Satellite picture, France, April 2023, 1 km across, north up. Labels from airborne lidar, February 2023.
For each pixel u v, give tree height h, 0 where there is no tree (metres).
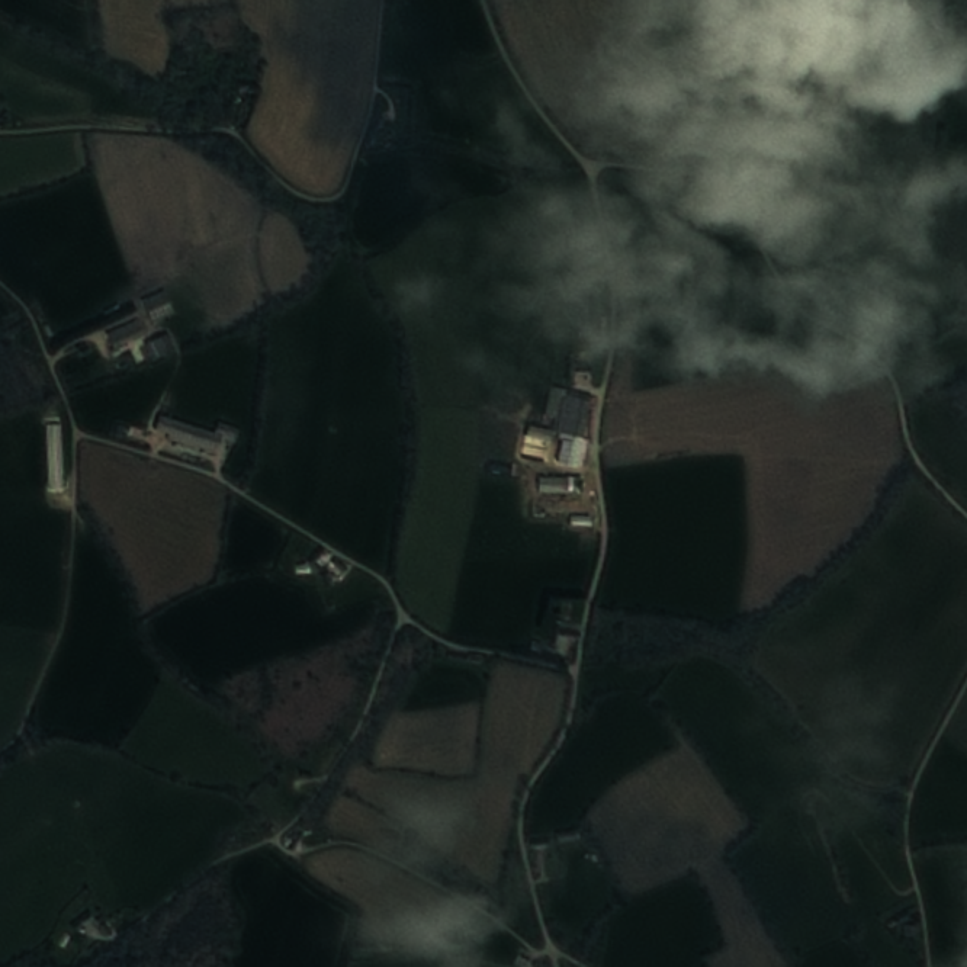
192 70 6
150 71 0
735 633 11
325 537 0
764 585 0
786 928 0
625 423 0
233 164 18
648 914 0
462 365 0
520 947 0
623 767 0
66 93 0
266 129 0
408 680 14
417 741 0
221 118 15
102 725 0
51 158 0
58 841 0
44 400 13
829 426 0
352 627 0
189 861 0
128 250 0
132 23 0
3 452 0
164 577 0
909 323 0
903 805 11
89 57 7
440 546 0
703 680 0
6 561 0
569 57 0
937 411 0
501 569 0
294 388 0
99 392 0
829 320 12
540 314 0
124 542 0
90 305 0
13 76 0
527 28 0
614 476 0
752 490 0
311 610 0
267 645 0
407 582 0
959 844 8
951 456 0
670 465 0
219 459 0
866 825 0
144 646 9
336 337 0
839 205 0
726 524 0
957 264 0
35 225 0
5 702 0
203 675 0
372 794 0
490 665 0
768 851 0
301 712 0
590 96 0
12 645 0
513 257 0
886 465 0
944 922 0
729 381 0
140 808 0
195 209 0
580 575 0
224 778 0
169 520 0
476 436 0
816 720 0
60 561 0
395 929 0
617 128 0
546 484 0
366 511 0
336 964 0
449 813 0
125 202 0
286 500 0
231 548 0
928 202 7
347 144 0
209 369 0
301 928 0
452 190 0
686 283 0
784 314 0
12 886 0
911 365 0
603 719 0
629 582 0
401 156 0
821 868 0
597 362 0
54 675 0
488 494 0
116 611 0
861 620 0
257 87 8
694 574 0
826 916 0
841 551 9
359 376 0
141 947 11
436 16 0
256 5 0
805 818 0
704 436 0
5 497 0
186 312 0
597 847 7
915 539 0
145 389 0
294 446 0
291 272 0
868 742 0
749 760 0
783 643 0
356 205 0
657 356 0
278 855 0
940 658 0
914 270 0
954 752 0
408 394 11
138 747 0
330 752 0
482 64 0
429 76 0
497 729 0
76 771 0
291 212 7
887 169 0
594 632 7
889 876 0
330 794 14
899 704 0
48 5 0
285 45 0
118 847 0
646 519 0
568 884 0
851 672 0
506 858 8
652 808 0
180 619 0
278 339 0
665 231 0
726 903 0
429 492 0
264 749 9
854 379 0
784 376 0
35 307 0
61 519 0
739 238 0
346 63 0
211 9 9
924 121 0
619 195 0
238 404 0
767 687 9
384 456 0
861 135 0
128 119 0
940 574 0
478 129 0
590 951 7
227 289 0
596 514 0
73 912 0
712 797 0
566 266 0
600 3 0
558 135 0
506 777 0
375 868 0
